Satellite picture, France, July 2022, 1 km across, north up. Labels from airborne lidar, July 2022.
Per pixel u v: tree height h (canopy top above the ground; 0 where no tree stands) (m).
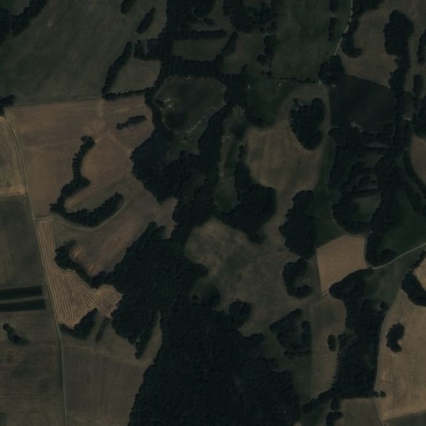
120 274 16
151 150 18
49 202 0
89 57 0
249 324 0
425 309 0
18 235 0
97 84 0
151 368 13
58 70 0
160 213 0
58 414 0
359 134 17
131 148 0
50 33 0
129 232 0
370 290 0
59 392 0
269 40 16
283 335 18
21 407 0
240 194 14
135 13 0
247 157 0
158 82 10
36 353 0
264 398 7
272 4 8
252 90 0
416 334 0
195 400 24
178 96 0
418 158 0
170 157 0
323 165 0
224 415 17
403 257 0
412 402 0
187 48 0
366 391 17
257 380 9
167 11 13
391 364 0
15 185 0
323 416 0
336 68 15
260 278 0
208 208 7
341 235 0
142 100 0
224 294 0
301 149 0
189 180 14
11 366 0
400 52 17
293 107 0
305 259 11
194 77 13
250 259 0
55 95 0
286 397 17
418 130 17
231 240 0
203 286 0
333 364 0
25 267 0
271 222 0
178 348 23
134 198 0
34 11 15
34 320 0
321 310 0
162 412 19
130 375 0
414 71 0
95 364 0
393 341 16
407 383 0
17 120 0
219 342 22
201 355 10
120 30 0
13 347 0
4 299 0
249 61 0
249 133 0
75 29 0
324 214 0
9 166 0
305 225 16
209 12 15
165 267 12
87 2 0
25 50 0
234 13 15
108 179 0
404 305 0
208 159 18
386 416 0
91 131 0
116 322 11
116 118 0
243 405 19
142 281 15
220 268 0
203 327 22
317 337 0
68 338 0
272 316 0
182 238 19
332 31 13
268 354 0
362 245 0
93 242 0
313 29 0
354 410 0
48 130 0
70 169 0
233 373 8
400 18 17
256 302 0
